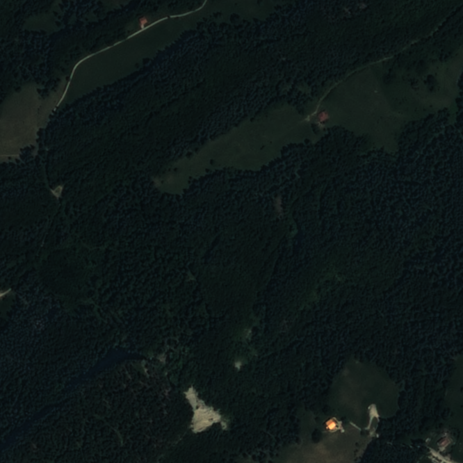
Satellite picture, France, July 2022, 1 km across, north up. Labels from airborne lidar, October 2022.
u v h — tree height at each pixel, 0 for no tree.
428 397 12
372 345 30
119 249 18
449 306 31
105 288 21
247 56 23
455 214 23
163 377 10
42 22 0
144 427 13
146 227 19
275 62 21
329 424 0
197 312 27
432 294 30
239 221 28
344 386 0
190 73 18
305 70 32
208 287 31
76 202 15
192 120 27
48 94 15
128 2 0
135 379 19
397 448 21
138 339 23
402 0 14
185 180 0
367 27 18
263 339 19
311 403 28
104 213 21
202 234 25
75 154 21
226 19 0
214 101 23
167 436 14
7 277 18
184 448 21
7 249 24
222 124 33
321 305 21
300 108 22
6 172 15
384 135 0
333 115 0
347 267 24
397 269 30
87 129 20
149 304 21
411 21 20
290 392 19
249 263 28
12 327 26
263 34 23
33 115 0
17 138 0
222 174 33
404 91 0
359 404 0
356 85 0
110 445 20
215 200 30
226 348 22
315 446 0
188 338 25
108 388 19
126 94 28
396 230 30
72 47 14
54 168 23
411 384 26
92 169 10
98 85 0
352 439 0
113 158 14
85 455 22
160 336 21
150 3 16
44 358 25
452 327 38
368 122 0
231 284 29
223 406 13
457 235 19
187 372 19
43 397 23
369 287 24
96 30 24
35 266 20
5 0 17
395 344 25
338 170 31
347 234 25
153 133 25
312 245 27
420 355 30
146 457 9
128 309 27
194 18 0
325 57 30
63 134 22
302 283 22
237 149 0
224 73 19
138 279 17
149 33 0
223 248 22
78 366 22
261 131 0
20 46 24
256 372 13
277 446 30
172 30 0
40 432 14
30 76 20
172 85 12
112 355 24
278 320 22
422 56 8
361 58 25
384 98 0
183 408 19
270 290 28
